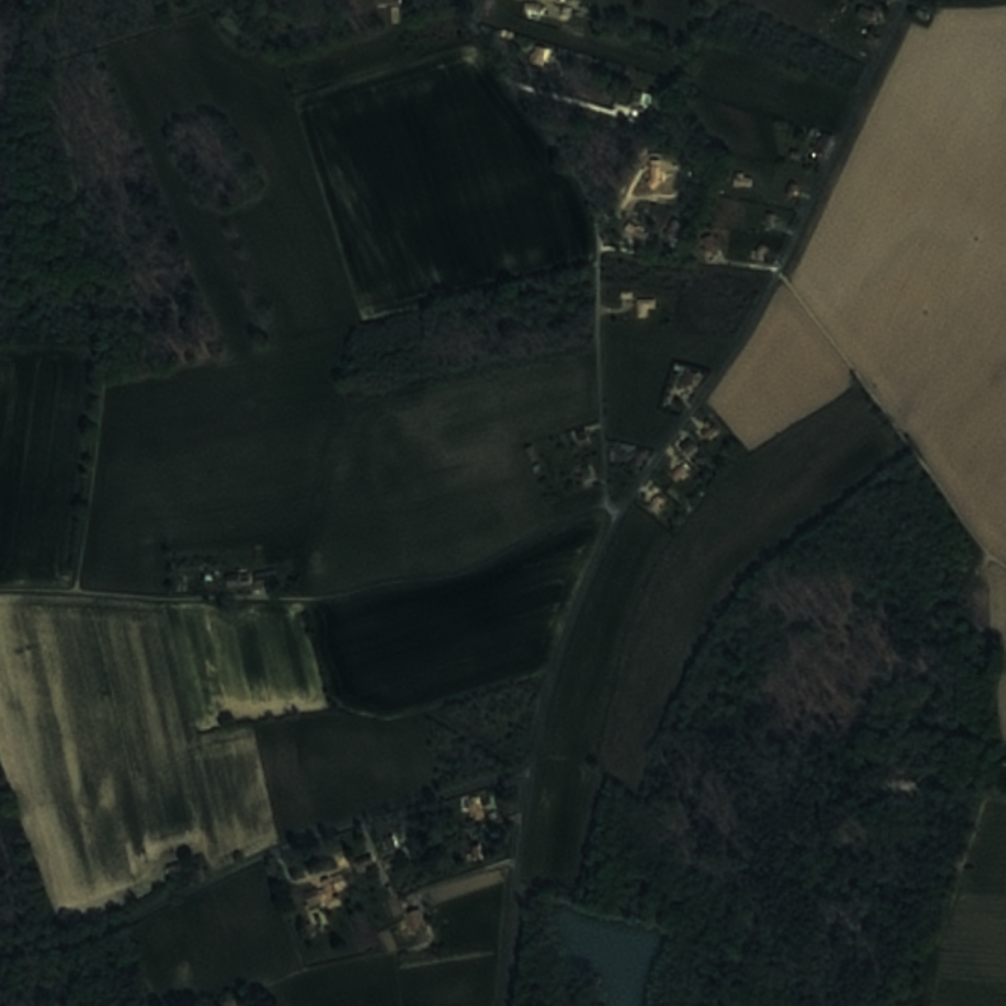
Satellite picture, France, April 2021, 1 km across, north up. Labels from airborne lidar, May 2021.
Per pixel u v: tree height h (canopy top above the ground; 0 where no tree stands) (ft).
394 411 0
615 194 53
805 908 75
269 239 0
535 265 0
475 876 0
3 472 0
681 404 26
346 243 0
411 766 0
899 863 50
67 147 61
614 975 0
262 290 0
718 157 80
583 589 0
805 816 78
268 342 46
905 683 60
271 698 0
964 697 60
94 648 0
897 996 64
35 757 0
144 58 0
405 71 0
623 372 0
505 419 0
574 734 0
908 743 42
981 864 0
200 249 0
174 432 0
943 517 59
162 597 0
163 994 0
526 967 59
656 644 0
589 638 0
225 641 0
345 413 0
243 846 0
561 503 0
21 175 81
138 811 0
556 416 0
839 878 73
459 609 0
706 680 47
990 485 0
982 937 0
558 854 0
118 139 54
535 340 59
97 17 26
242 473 0
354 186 0
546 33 0
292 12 72
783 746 56
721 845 72
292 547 0
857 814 60
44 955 73
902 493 54
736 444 40
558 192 0
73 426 0
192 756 0
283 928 0
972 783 52
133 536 0
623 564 0
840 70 27
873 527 50
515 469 0
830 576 80
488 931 0
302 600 0
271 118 0
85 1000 71
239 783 0
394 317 22
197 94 0
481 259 0
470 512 0
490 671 0
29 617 0
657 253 44
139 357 66
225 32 28
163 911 0
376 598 0
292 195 0
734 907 42
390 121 0
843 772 73
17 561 0
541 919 58
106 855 0
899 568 63
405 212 0
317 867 63
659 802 51
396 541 0
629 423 0
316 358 0
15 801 52
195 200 54
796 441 0
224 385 0
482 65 0
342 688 0
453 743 24
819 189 0
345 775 0
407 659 0
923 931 62
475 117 0
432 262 0
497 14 0
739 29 31
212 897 0
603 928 0
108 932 41
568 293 38
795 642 47
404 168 0
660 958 35
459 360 45
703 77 0
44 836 0
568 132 59
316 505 0
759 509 0
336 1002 0
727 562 0
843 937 58
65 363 0
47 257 90
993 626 0
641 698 0
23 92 74
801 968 37
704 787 52
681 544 0
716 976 40
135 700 0
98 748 0
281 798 0
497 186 0
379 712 0
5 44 24
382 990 0
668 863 52
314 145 0
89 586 0
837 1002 76
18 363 0
